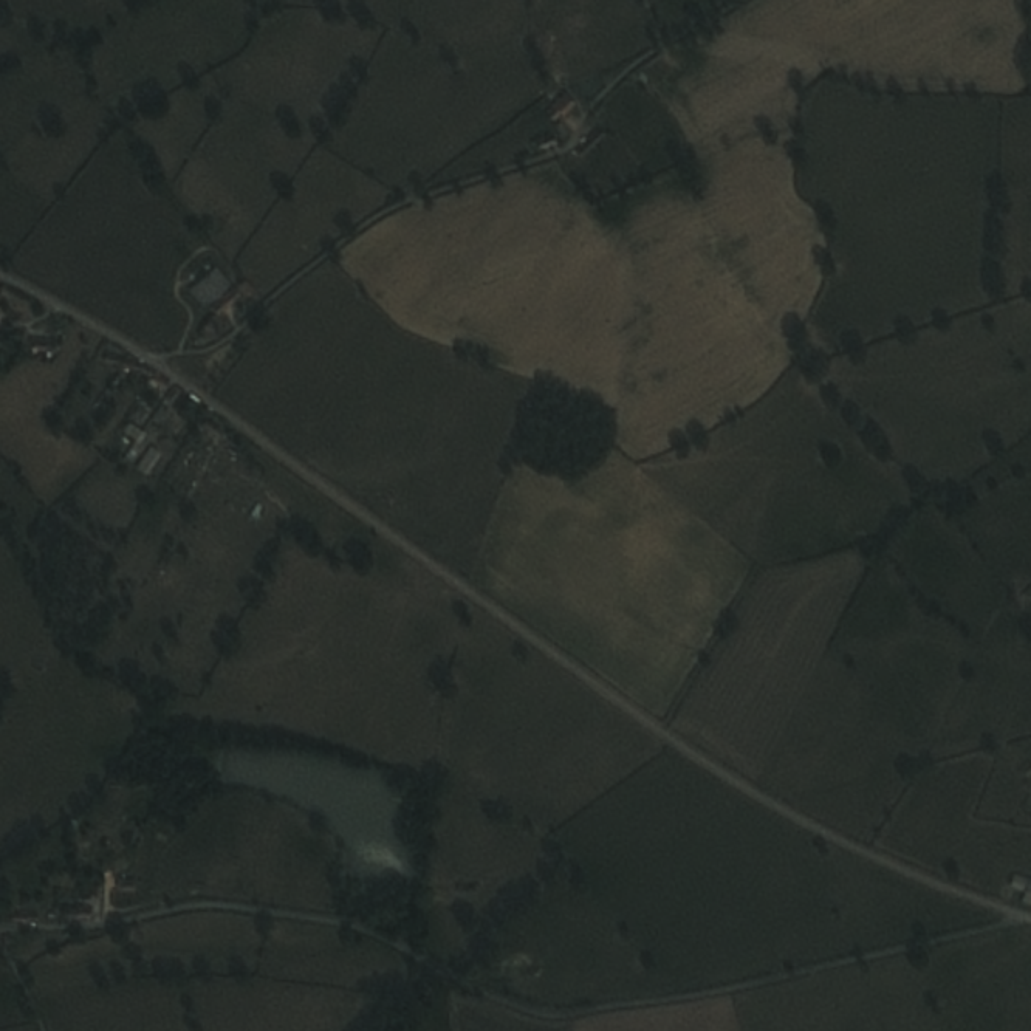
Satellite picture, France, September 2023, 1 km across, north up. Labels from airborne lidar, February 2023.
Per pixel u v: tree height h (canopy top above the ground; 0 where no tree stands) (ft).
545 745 0
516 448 45
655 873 0
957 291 0
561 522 0
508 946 0
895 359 0
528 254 0
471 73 0
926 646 0
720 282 0
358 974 0
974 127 0
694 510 0
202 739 39
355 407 0
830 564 0
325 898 0
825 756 0
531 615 0
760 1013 0
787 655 0
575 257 0
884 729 0
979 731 0
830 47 0
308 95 0
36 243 0
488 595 0
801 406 0
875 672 0
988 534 0
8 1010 0
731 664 0
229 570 0
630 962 0
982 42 0
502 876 0
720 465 0
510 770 0
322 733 0
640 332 0
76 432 28
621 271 0
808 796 0
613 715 0
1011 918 0
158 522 0
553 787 0
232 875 0
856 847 0
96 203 0
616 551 0
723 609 0
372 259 0
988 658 0
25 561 46
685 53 0
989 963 0
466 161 0
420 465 0
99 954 0
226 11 0
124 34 0
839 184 0
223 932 0
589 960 0
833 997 0
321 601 0
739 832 0
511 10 0
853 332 0
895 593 0
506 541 0
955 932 0
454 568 0
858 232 0
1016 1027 0
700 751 0
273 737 35
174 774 54
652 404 0
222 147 0
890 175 0
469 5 0
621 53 0
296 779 0
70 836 41
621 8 0
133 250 0
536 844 0
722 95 0
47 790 0
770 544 0
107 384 24
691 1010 0
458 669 0
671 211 0
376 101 0
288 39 0
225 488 0
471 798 0
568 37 0
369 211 0
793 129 62
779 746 0
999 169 0
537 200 0
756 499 0
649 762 0
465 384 0
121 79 0
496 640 0
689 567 0
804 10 0
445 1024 0
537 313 0
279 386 0
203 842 0
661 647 0
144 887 0
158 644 0
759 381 0
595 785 0
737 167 0
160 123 0
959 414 0
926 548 0
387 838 0
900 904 0
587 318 0
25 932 24
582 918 0
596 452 60
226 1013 0
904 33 0
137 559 0
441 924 0
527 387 0
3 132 0
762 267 0
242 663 0
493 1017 0
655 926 0
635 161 0
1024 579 0
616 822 0
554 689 0
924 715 0
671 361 0
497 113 0
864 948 0
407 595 0
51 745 0
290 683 0
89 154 0
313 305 0
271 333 0
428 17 0
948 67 0
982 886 0
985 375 0
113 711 0
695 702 0
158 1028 0
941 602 0
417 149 0
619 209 0
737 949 0
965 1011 0
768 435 0
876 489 0
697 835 0
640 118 0
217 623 0
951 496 53
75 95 0
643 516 0
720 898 0
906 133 0
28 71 0
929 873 0
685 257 0
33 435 0
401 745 0
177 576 0
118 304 0
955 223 0
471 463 0
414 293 0
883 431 28
